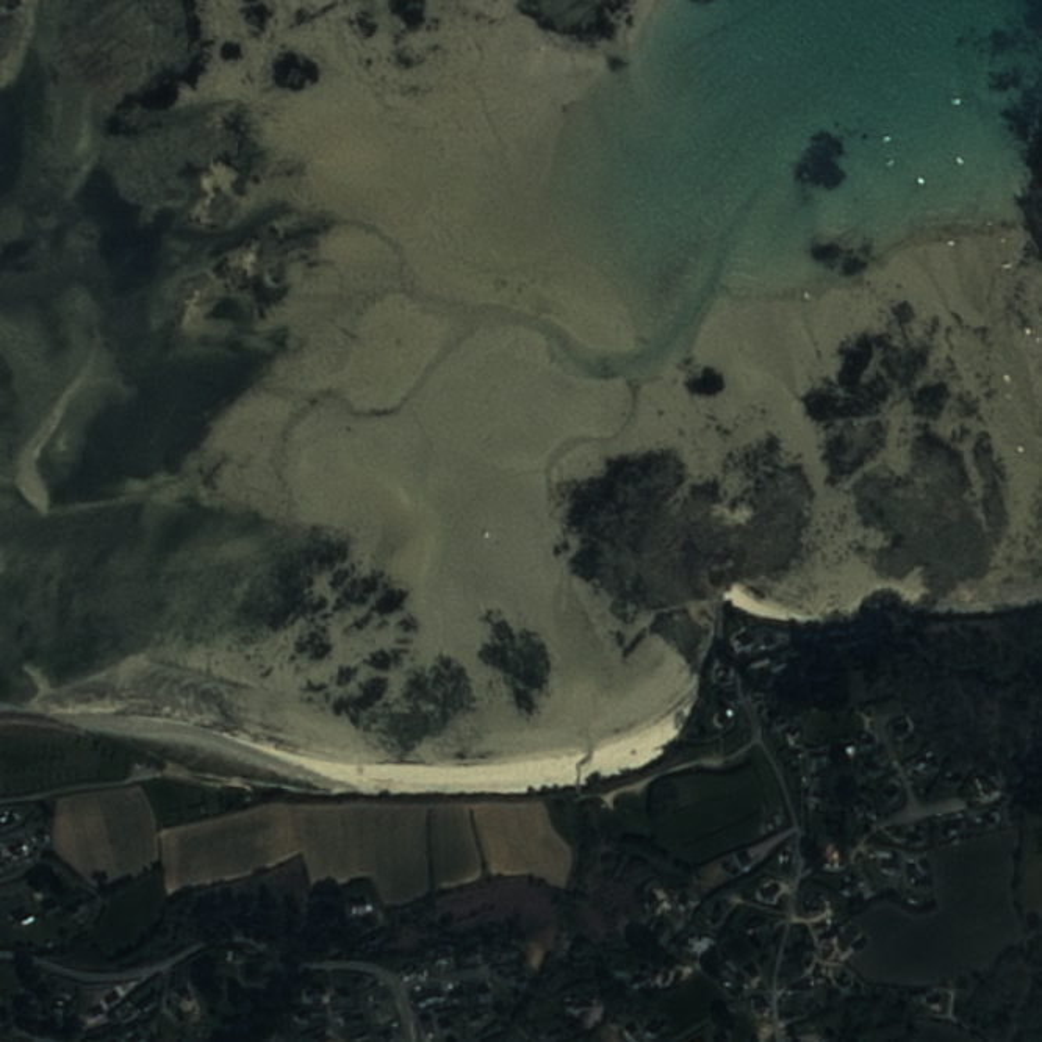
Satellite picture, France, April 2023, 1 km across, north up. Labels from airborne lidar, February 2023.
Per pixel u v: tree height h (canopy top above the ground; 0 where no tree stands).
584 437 0
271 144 0
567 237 0
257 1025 21
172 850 0
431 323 0
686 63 0
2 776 0
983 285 0
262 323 0
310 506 0
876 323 0
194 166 0
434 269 0
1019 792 16
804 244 0
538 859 0
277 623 0
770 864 0
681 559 0
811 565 0
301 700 0
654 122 0
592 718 0
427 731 0
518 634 0
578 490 0
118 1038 0
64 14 0
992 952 0
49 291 0
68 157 0
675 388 0
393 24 0
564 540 0
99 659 0
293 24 0
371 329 0
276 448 0
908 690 15
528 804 0
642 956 14
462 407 0
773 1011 0
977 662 13
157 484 0
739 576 0
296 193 0
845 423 0
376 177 0
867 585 0
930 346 0
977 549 0
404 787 0
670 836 0
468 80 0
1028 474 0
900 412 0
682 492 0
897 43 0
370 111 0
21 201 0
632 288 0
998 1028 15
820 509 0
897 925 0
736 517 0
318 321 0
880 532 0
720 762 0
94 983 0
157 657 0
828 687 22
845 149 0
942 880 0
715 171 0
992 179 0
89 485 0
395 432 0
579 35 0
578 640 0
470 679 0
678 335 0
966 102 0
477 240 0
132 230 0
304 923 11
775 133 0
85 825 0
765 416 0
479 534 0
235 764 0
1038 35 0
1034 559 0
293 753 0
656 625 0
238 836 0
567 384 0
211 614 0
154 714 0
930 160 0
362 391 0
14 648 0
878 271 0
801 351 0
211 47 0
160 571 0
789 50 0
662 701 0
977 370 0
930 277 0
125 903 0
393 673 0
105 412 0
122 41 0
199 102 0
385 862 0
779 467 0
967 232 0
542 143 0
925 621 7
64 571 0
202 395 0
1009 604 0
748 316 0
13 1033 9
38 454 0
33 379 0
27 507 0
